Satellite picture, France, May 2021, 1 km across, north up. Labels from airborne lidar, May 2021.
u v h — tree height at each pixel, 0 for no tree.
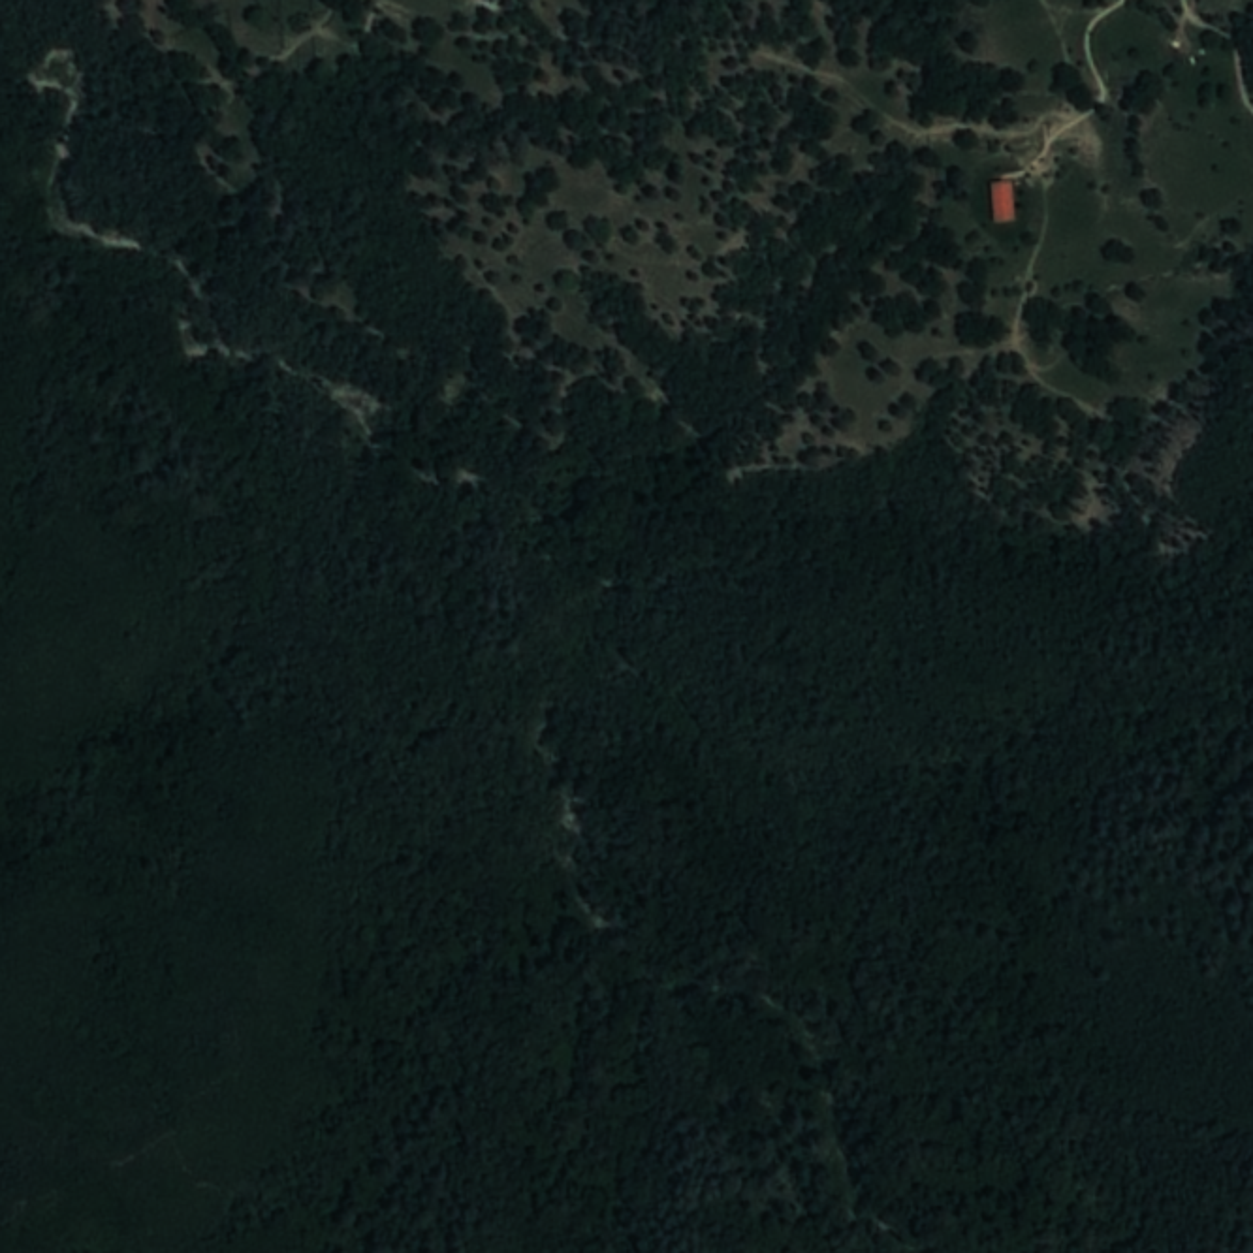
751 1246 13
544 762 18
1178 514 12
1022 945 11
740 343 12
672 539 11
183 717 15
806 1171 27
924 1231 17
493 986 17
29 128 17
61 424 17
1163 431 16
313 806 7
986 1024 11
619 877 11
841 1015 19
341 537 9
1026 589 8
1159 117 0
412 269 8
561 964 19
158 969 6
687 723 19
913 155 10
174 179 14
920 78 14
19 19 10
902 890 11
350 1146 8
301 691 12
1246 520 16
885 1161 18
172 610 10
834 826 18
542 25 10
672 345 8
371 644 13
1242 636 11
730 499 11
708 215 9
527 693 18
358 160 12
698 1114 13
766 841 12
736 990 21
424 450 6
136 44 9
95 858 6
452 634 17
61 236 16
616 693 12
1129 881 18
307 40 0
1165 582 15
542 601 15
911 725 8
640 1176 15
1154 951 6
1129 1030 7
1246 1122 7
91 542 6
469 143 21
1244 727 20
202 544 9
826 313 19
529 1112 17
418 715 20
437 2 0
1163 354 0
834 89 7
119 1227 5
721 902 9
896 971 13
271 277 20
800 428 0
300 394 19
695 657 10
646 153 11
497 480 26
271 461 13
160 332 16
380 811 16
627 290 12
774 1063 19
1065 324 15
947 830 7
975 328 16
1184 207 0
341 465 17
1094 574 11
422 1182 10
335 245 19
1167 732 13
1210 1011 7
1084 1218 13
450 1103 26
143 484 27
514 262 9
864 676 11
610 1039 16
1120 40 0
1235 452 7
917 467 19
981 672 7
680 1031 15
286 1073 6
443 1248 6
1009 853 7
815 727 19
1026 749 21
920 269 18
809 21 15
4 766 6
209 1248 7
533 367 15
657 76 17
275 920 6
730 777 15
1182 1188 10
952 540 19
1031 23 0
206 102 17
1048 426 17
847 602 15
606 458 19
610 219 9
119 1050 8
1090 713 20
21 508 8
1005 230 0
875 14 16
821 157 13
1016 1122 19
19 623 6
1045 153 0
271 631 18
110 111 17
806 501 12
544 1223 11
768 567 21
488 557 23
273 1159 9
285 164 15
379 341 14
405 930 11
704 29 13
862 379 0
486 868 15
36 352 7
